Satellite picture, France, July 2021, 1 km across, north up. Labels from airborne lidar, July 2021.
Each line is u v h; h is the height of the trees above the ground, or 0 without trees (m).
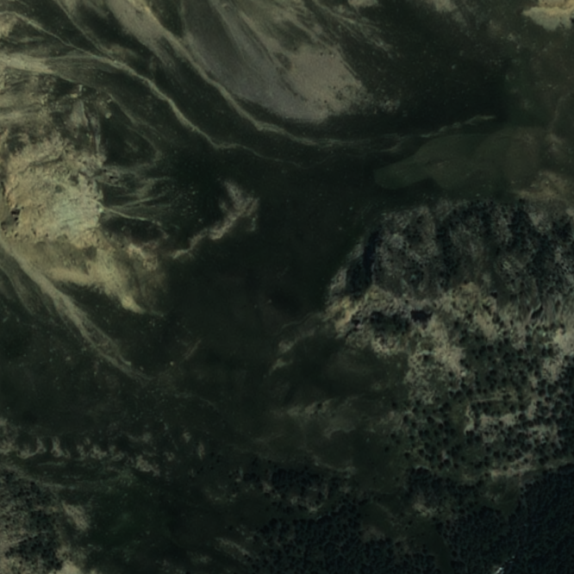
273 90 0
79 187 0
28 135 0
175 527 0
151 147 0
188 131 0
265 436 0
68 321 0
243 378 0
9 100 0
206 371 0
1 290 0
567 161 0
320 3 0
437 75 0
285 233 0
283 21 0
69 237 0
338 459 0
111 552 0
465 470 0
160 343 0
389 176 0
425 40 0
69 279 0
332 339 0
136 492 0
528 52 0
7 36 0
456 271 8
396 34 0
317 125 0
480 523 24
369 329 0
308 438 0
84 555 0
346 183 0
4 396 0
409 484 8
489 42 0
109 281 0
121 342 0
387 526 0
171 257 0
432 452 12
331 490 6
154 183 0
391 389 0
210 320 0
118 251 0
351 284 0
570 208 0
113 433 0
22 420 0
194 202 0
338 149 0
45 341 0
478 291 0
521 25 0
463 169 0
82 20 0
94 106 0
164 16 0
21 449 0
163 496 0
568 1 0
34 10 0
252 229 0
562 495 19
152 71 0
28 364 0
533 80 0
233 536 0
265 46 0
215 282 0
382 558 22
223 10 0
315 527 19
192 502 0
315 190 0
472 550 18
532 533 22
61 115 0
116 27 0
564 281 7
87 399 0
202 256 0
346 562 23
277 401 0
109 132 0
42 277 0
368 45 0
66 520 0
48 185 0
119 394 0
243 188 0
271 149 0
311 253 0
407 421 14
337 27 0
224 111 0
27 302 0
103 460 0
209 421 0
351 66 0
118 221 0
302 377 0
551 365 0
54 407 0
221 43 0
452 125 0
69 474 0
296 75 0
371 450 0
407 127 0
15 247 0
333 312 0
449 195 0
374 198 0
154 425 0
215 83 0
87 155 0
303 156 0
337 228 0
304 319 0
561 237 11
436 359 0
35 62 0
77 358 0
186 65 0
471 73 0
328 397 0
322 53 0
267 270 0
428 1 0
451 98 0
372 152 0
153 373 0
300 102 0
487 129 0
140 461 0
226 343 0
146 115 0
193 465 0
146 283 0
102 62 0
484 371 0
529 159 0
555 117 0
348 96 0
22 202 0
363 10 0
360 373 0
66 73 0
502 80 0
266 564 9
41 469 0
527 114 0
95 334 0
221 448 0
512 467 0
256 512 0
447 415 8
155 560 0
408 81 0
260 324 0
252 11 0
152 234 0
